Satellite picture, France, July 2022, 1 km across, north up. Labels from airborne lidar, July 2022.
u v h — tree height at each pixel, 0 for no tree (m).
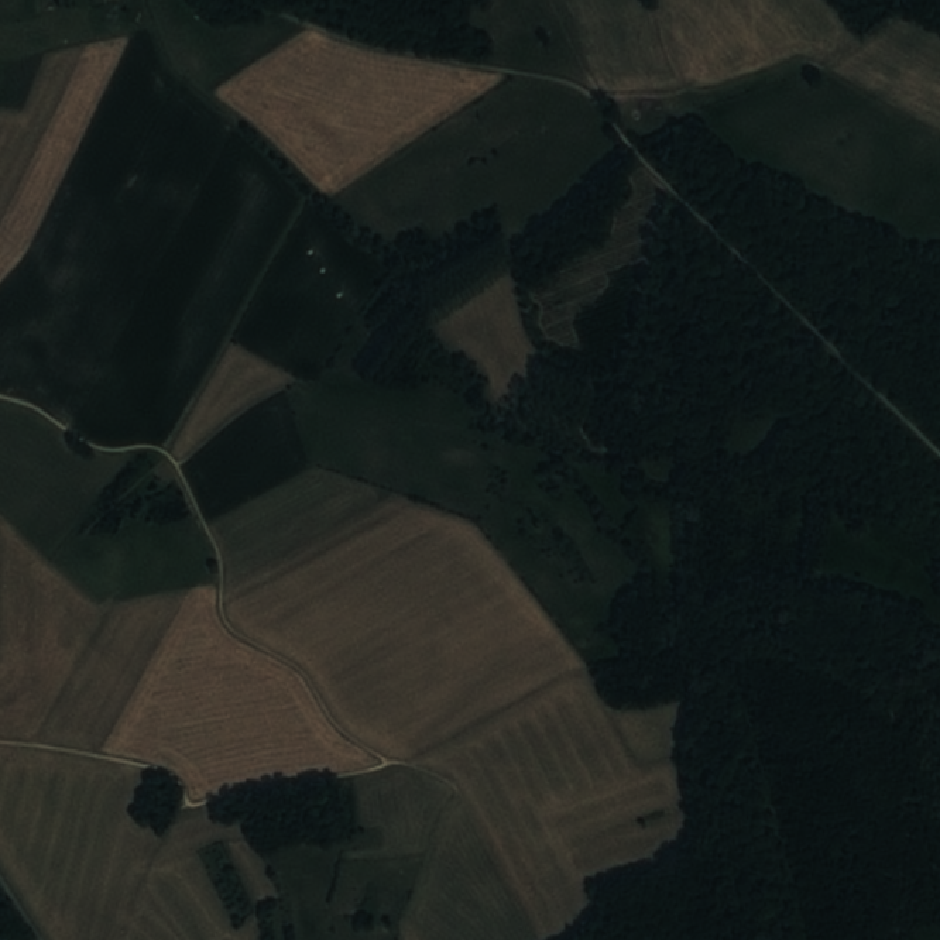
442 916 0
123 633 0
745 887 26
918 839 10
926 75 0
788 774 11
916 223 0
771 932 24
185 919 0
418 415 0
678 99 0
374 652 0
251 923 0
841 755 10
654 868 23
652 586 17
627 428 16
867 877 11
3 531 0
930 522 16
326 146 0
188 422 0
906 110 0
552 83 0
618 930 18
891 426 23
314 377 0
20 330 0
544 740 0
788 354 24
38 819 0
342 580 0
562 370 27
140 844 0
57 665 0
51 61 0
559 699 0
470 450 0
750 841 26
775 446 21
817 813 12
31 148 0
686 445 26
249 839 12
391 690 0
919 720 17
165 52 0
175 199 0
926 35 0
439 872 0
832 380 20
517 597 0
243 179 0
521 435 13
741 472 18
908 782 10
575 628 0
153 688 0
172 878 0
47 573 0
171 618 0
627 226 0
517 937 0
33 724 0
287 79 0
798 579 24
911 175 0
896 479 23
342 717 0
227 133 0
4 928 21
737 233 24
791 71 0
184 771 0
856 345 21
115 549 0
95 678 0
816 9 0
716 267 25
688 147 20
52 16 0
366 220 0
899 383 20
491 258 30
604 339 6
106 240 0
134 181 0
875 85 0
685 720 19
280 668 0
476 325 0
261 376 0
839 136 0
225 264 0
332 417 0
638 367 27
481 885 0
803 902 9
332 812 25
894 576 0
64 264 0
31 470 0
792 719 13
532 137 0
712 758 24
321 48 0
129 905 0
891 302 13
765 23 0
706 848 22
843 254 25
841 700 12
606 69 0
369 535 0
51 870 0
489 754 0
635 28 0
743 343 23
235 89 0
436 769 0
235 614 0
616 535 13
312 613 0
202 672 0
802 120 0
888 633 26
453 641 0
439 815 0
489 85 0
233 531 0
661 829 0
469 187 0
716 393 25
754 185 24
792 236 21
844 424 23
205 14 15
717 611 24
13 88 0
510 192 0
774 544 7
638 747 0
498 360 0
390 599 0
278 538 0
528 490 0
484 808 0
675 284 29
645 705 17
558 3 0
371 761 0
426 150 0
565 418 25
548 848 0
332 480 0
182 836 0
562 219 22
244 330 0
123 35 0
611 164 19
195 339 0
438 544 0
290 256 0
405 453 0
